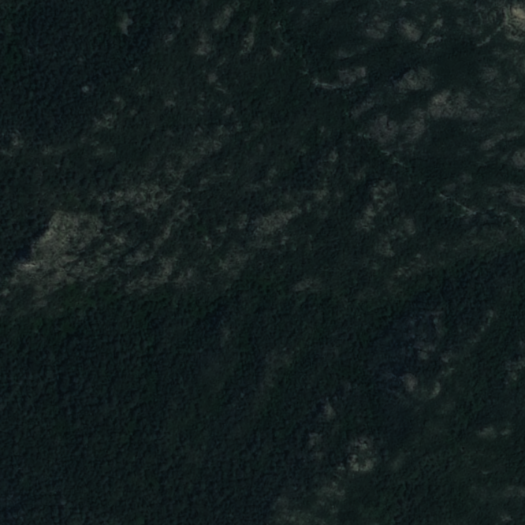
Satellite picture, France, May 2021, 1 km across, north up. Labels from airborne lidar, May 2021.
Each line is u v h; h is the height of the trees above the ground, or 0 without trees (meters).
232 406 7
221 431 7
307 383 12
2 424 11
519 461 10
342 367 13
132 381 14
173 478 20
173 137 9
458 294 8
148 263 17
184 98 7
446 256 7
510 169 8
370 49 7
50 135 13
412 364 11
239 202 18
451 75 7
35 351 16
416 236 8
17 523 12
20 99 19
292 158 15
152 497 12
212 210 15
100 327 12
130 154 9
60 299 17
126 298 25
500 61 6
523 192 6
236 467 23
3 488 6
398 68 9
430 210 22
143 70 15
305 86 8
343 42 7
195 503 21
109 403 22
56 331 12
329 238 7
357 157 10
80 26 14
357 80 6
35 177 16
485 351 16
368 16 6
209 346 9
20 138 7
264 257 14
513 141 11
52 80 10
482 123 8
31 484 7
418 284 14
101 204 8
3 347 15
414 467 19
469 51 8
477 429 6
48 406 21
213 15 10
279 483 6
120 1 14
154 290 7
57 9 15
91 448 12
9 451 8
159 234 8
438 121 6
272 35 7
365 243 12
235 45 13
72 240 28
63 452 12
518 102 7
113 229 10
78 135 10
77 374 13
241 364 13
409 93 8
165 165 12
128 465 19
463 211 8
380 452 7
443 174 12
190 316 11
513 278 7
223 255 6
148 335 16
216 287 7
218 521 11
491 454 8
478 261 21
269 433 14
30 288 7
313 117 14
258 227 5
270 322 8
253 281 14
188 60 7
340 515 13
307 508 6
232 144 7
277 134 7
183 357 14
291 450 8
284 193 8
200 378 12
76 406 18
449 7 6
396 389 14
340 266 10
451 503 13
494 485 7
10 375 25
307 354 8
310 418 6
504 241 9
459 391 7
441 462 9
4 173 12
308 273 7
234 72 8
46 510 12
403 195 14
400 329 6
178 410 10
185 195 17
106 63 12
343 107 12
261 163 8
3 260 8
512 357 6
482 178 8
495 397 8
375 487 11
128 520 16
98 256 25
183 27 12
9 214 17
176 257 6
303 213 6
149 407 18
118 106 7
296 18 6
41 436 16
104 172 24
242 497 9
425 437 7
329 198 9
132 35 8
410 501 16
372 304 14
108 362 17
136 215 10
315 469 12
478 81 7
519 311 11
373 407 10
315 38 10
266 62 12
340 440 10
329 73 14
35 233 9
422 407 6
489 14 11
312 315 7
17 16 20
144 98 15
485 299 6
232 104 8
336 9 12
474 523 8
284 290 9
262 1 13
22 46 14
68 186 26
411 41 7
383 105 7
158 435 17
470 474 7
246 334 15
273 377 11
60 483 24
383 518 16
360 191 21
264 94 11
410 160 14
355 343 18
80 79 14
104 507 19
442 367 12
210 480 11
